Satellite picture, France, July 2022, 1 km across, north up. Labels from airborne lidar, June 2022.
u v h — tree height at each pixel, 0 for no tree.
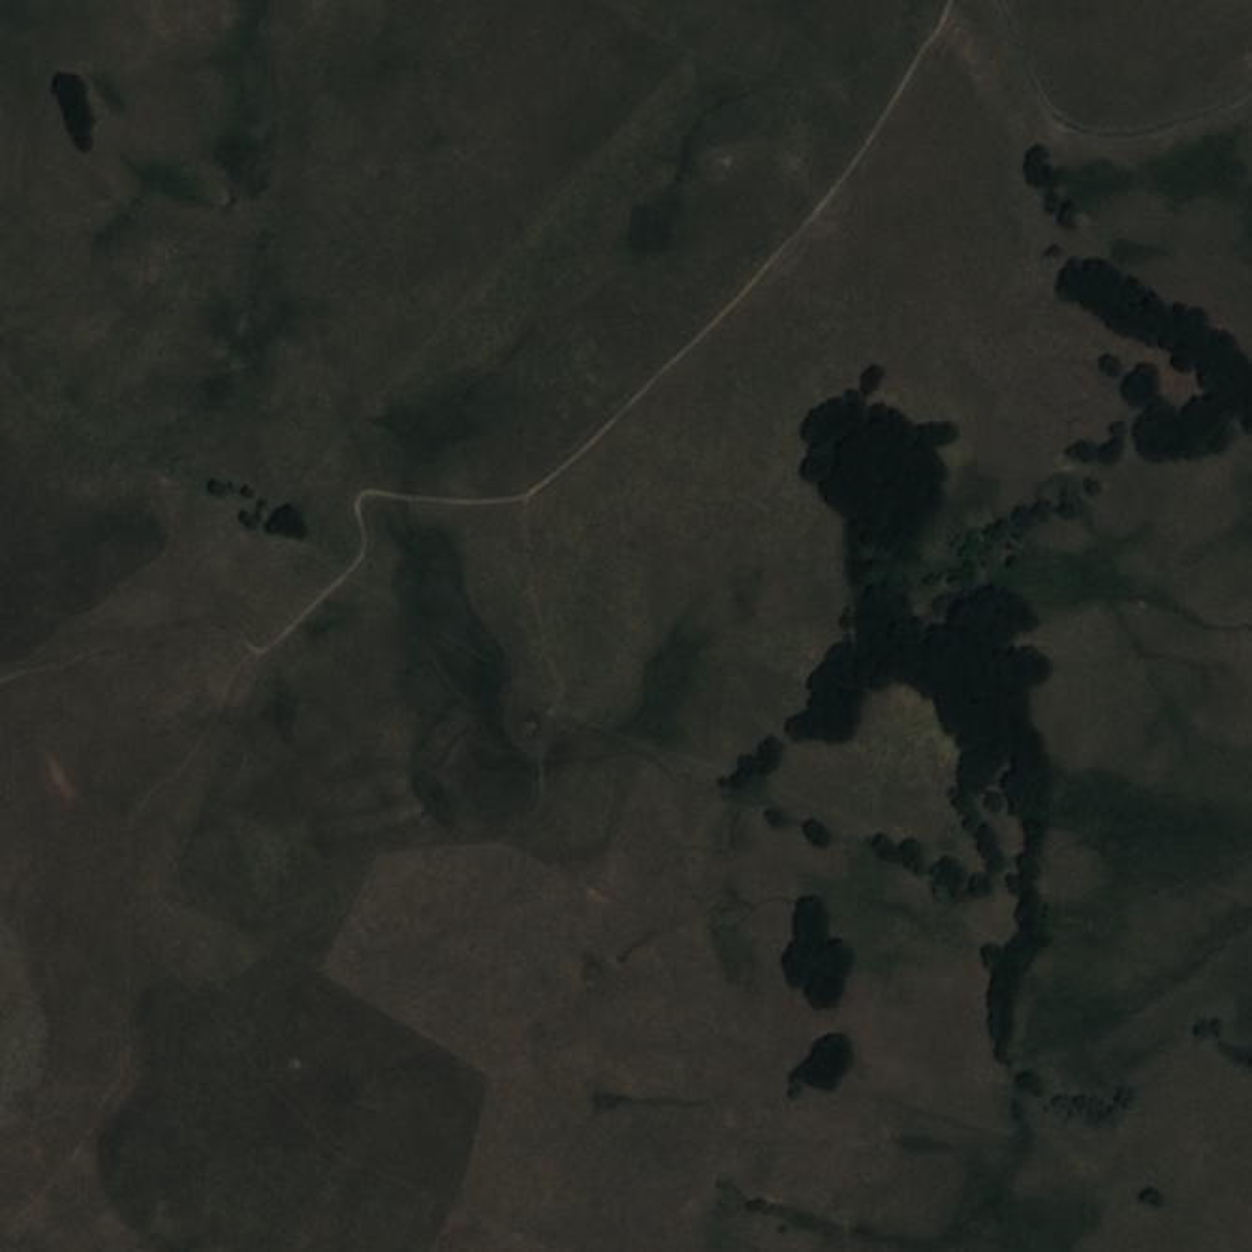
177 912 0
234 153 0
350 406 0
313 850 0
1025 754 23
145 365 0
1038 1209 0
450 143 0
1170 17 0
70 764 0
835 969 18
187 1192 0
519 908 0
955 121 0
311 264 0
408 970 0
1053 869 0
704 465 0
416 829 0
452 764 0
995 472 0
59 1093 0
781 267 0
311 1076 0
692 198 0
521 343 0
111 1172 0
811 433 14
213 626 0
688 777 0
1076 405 0
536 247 0
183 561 0
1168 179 0
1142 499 0
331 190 0
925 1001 0
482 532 0
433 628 0
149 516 0
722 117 0
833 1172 0
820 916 19
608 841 0
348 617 0
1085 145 0
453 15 0
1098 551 0
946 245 0
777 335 0
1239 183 0
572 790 0
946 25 0
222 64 0
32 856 0
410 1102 0
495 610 0
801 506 0
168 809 0
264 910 0
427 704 0
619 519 0
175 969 0
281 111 0
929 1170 0
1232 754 0
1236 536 0
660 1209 0
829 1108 0
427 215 0
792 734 11
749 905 0
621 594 0
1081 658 0
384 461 0
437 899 0
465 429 0
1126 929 0
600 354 0
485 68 0
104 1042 0
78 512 0
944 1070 0
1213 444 19
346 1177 0
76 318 0
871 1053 0
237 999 0
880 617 18
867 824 0
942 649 21
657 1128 0
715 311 0
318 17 0
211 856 0
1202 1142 0
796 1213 0
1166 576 0
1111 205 0
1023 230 0
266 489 0
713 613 0
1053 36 0
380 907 0
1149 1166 0
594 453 0
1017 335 0
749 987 0
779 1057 0
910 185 0
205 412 0
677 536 0
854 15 0
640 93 0
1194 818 0
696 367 0
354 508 0
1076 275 16
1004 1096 0
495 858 0
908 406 0
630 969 0
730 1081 0
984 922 0
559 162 0
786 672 0
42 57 0
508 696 0
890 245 0
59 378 0
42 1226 0
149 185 0
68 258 0
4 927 0
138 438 0
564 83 0
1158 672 0
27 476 0
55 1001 0
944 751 0
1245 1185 0
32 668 0
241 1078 0
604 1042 0
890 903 0
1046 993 0
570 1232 0
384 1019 0
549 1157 0
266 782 0
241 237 0
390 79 0
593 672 0
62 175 0
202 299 0
